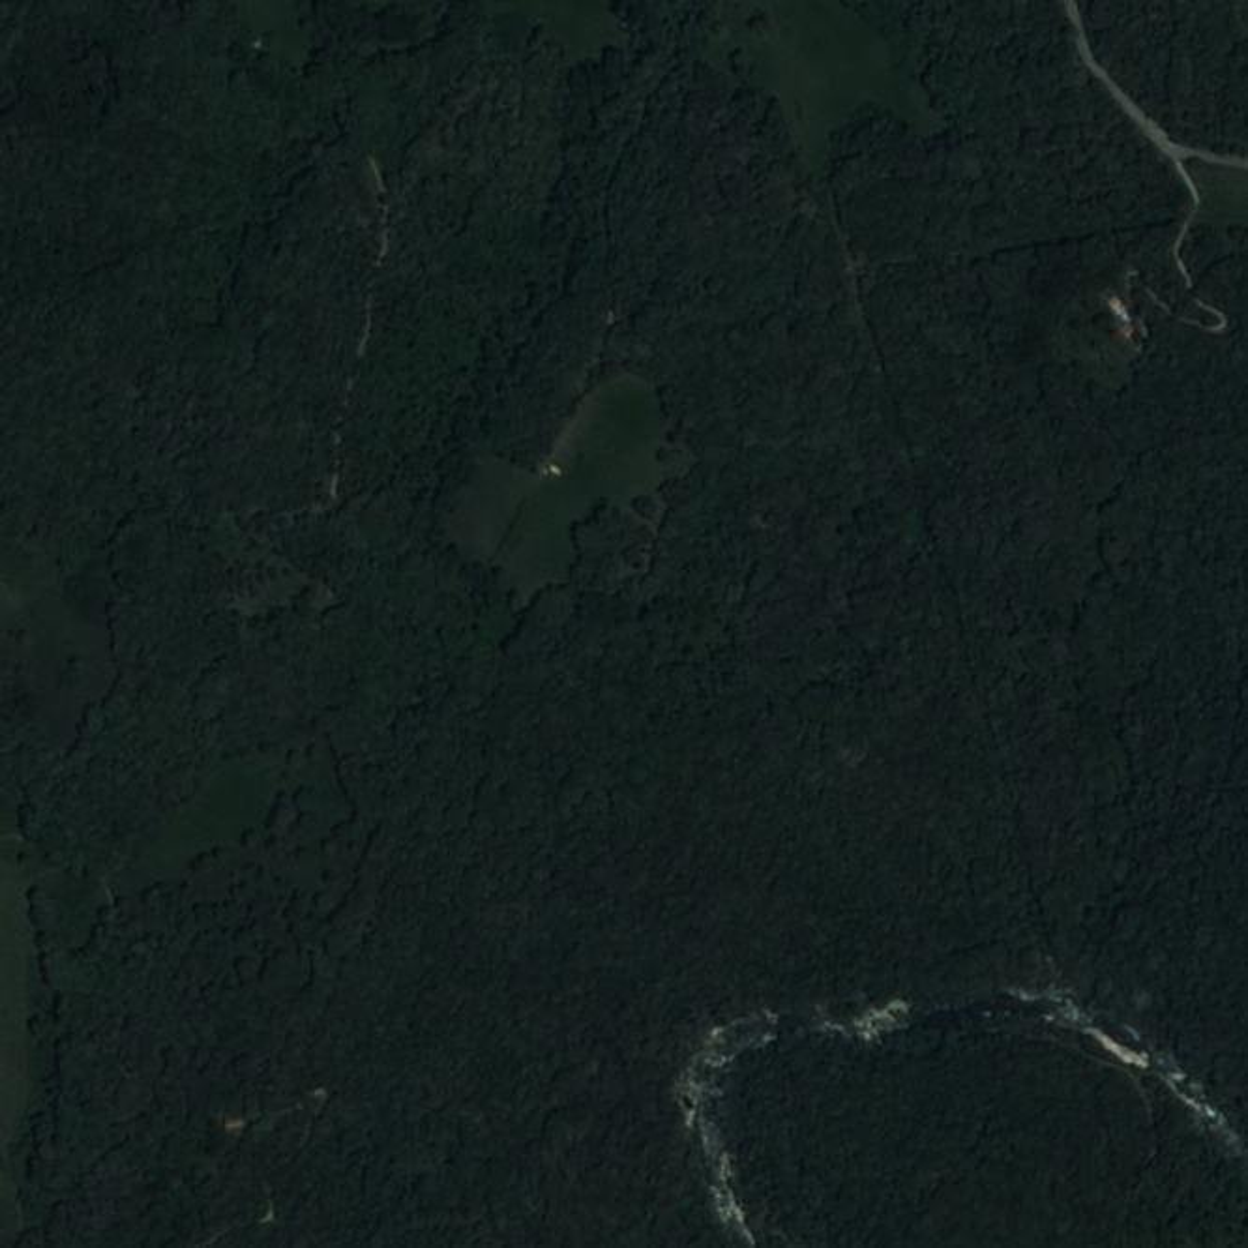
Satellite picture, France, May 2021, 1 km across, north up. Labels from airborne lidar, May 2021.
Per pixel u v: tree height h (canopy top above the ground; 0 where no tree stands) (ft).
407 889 35
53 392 38
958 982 37
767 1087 35
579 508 0
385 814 46
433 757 40
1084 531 62
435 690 58
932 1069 42
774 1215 18
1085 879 59
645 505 33
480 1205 45
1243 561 29
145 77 60
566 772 32
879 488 51
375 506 53
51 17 40
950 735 33
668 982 49
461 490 48
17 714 53
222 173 53
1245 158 54
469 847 27
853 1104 33
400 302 22
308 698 55
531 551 0
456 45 42
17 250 57
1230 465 34
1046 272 55
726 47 0
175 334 46
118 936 33
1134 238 30
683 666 53
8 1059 0
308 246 44
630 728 41
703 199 51
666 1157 20
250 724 39
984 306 23
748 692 38
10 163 62
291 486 51
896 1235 38
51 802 40
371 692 42
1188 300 34
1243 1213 36
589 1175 40
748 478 42
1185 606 41
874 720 40
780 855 46
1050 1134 36
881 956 36
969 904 30
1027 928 34
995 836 40
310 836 24
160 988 48
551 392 47
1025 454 47
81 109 64
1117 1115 37
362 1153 35
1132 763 26
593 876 41
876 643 39
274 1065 34
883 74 0
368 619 34
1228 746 25
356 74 60
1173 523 35
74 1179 36
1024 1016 21
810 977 45
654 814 37
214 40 50
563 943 24
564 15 0
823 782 34
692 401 44
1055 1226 41
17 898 0
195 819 0
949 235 47
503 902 39
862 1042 38
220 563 36
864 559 30
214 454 51
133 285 48
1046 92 25
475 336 31
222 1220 36
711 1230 34
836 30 0
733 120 47
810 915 39
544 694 42
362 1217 32
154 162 53
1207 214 0
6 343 18
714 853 21
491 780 49
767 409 41
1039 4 28
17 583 0
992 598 68
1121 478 44
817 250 36
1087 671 50
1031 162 42
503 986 23
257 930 42
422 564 57
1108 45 26
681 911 25
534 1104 25
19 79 31
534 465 31
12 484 53
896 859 39
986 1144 48
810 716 34
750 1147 29
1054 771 48
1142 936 39
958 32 43
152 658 38
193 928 39
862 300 25
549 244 90
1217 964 22
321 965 35
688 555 37
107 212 51
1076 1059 31
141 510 30
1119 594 52
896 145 36
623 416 0
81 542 49
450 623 55
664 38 43
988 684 30
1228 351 24
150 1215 30
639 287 27
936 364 43
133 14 69
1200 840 30
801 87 0
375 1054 31
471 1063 36
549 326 61
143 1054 39
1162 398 36
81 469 61
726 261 44
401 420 24
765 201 42
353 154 59
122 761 31
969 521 31
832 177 30
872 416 46
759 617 54
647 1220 33
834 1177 39
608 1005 34
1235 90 29
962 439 35
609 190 39
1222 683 49
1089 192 35
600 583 37
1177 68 38
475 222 52
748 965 31
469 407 64
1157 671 47
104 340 39
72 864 41
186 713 25
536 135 37
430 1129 39
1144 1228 23
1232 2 26
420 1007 40
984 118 35
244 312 39
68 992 48
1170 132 25
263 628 53
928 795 45
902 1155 40
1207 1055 48
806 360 35
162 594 37
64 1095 47
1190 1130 27
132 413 39
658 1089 32
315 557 30
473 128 46
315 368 40
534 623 59
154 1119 38
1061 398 39
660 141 50
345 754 44
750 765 29
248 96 54
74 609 0
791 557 31
